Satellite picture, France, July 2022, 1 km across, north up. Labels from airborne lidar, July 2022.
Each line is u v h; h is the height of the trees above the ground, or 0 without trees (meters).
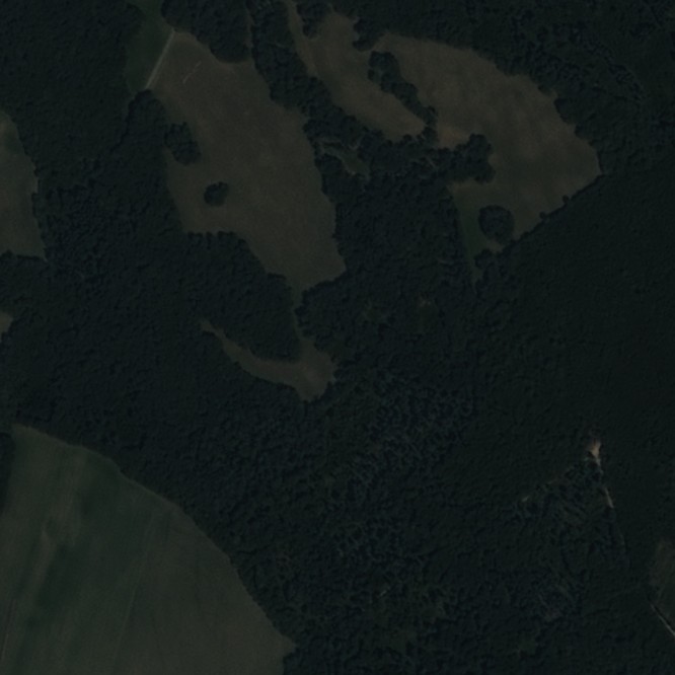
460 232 26
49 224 12
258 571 21
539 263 12
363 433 9
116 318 27
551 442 21
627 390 12
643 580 15
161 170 21
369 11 26
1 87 25
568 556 23
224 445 22
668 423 14
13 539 0
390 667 9
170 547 0
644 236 16
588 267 12
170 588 0
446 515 22
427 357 15
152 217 26
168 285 29
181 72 0
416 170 19
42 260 16
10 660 0
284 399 26
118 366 26
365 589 21
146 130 22
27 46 24
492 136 0
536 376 10
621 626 7
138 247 25
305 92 21
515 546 25
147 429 25
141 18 25
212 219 0
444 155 22
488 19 7
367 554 30
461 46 22
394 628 13
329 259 0
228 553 14
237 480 18
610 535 7
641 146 20
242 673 0
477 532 20
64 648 0
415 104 23
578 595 25
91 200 29
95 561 0
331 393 18
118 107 24
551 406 13
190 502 16
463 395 11
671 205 15
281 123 0
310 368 0
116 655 0
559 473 24
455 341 18
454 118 0
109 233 26
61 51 27
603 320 12
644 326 11
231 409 15
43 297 24
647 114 23
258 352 26
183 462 23
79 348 28
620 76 23
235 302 22
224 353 23
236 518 21
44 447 0
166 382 24
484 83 0
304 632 18
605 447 13
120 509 0
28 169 0
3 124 0
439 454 7
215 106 0
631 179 16
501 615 25
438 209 20
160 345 23
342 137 23
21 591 0
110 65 26
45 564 0
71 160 19
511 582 24
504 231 23
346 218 23
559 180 0
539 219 0
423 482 21
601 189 14
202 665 0
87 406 26
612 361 11
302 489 27
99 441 21
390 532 27
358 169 0
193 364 24
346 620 25
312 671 19
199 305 26
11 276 25
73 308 18
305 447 24
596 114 16
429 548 22
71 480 0
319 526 16
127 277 28
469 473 20
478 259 14
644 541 17
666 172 17
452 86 0
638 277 13
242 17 23
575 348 11
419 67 0
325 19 21
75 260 24
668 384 15
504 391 18
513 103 0
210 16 28
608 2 7
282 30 26
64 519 0
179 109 0
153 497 0
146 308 26
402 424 7
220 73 0
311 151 0
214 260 19
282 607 12
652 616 17
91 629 0
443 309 21
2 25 24
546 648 19
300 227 0
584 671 25
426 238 18
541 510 27
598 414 10
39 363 27
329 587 14
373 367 27
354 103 0
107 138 25
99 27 31
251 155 0
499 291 25
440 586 28
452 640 29
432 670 27
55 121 24
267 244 0
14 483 0
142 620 0
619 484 13
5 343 14
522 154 0
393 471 25
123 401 12
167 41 0
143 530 0
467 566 24
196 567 0
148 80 0
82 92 24
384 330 20
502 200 0
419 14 23
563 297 11
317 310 23
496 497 19
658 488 13
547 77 23
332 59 0
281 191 0
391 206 25
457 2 23
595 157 0
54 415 26
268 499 27
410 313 23
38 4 23
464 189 0
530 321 13
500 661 21
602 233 12
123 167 25
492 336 23
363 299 27
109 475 0
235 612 0
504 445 21
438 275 24
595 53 26
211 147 0
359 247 23
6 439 23
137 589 0
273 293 27
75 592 0
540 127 0
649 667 23
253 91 0
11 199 0
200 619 0
